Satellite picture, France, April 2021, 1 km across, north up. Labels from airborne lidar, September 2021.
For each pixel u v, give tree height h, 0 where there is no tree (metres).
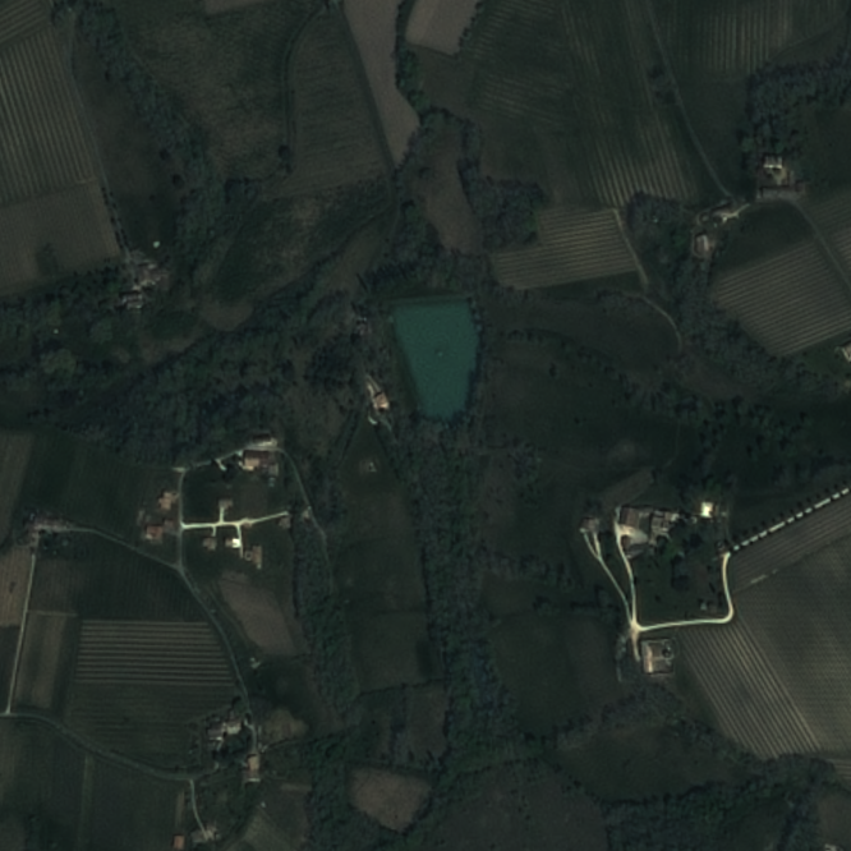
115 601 0
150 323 10
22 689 0
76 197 0
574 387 0
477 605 15
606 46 0
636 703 14
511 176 0
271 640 0
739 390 0
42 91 0
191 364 15
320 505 12
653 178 0
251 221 13
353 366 6
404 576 0
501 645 0
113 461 0
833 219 0
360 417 10
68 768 0
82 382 15
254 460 0
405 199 8
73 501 0
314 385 6
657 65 0
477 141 21
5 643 0
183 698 0
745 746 0
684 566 19
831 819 0
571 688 0
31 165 0
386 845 13
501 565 17
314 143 0
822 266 0
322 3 7
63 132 0
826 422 0
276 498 0
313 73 0
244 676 6
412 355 0
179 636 0
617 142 0
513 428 0
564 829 0
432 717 0
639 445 0
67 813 0
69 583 0
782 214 0
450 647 20
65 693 0
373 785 0
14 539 0
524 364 0
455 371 0
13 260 0
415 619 0
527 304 12
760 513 0
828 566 0
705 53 0
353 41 0
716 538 14
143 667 0
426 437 28
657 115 0
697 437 0
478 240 0
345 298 14
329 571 23
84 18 14
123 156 0
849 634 0
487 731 18
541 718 0
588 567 0
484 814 0
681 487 0
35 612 0
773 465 0
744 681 0
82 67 0
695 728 8
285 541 0
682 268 16
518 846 0
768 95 19
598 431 0
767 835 0
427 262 16
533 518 0
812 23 0
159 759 0
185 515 0
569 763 0
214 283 9
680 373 10
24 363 0
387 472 0
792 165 14
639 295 0
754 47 0
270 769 6
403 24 9
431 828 13
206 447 15
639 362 0
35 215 0
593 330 0
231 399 11
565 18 0
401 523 0
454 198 0
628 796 0
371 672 0
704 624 0
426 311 0
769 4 0
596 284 0
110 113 0
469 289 17
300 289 11
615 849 15
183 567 0
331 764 15
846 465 11
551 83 0
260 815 0
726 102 0
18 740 0
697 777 0
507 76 0
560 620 0
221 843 6
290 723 0
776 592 0
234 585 0
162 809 0
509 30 0
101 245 0
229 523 0
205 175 24
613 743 0
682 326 17
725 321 20
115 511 0
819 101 11
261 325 9
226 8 0
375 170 0
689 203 0
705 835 16
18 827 0
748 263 0
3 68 0
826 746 0
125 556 0
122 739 0
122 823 0
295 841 0
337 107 0
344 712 19
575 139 0
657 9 0
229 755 13
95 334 23
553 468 0
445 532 22
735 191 0
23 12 0
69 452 0
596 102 0
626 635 12
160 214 0
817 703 0
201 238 11
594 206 0
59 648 0
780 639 0
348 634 18
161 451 15
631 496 0
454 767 18
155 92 18
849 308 0
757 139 8
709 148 0
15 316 16
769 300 0
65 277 0
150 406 16
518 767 6
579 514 0
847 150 0
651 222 15
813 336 0
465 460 18
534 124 0
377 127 0
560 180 0
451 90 0
